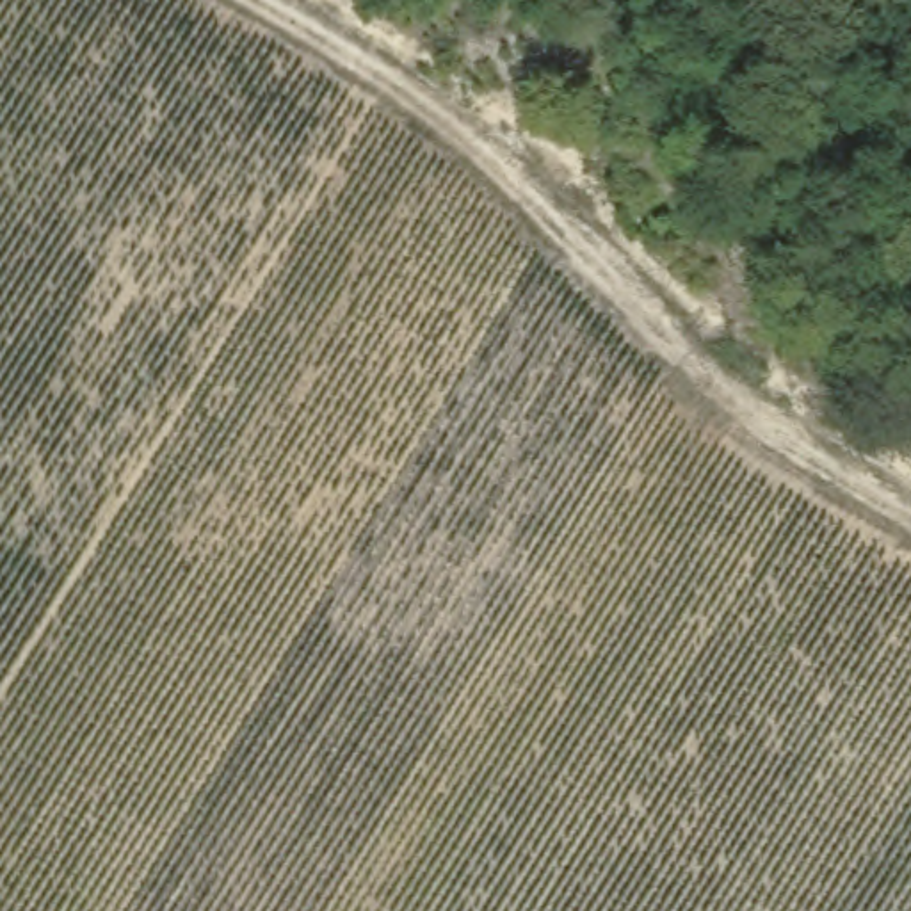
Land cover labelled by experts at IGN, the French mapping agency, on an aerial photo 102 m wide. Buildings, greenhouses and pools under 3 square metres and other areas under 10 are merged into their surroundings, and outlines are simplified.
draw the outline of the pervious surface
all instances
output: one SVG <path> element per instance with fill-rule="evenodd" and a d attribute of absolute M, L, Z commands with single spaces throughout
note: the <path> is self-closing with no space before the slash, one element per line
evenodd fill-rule
<path fill-rule="evenodd" d="M 808 427 L 790 423 L 776 406 L 758 402 L 751 391 L 737 399 L 730 409 L 733 416 L 765 445 L 786 452 L 794 463 L 815 470 L 818 477 L 836 480 L 847 495 L 911 530 L 911 505 L 886 491 L 875 477 L 818 448 L 808 438 Z"/>
<path fill-rule="evenodd" d="M 673 363 L 690 342 L 680 335 L 676 320 L 662 310 L 662 302 L 633 281 L 637 267 L 644 267 L 658 285 L 665 285 L 680 306 L 687 306 L 715 335 L 722 327 L 719 306 L 708 295 L 694 295 L 658 256 L 644 249 L 644 242 L 623 231 L 605 242 L 569 214 L 562 214 L 523 174 L 516 160 L 484 142 L 466 121 L 459 121 L 456 110 L 448 110 L 431 89 L 423 89 L 420 78 L 409 78 L 388 68 L 384 60 L 363 53 L 356 43 L 342 39 L 324 21 L 317 21 L 299 0 L 260 0 L 253 7 L 260 18 L 324 50 L 331 60 L 381 85 L 388 96 L 409 114 L 416 114 L 423 125 L 431 125 L 438 135 L 445 135 L 452 146 L 459 146 L 488 178 L 495 178 L 505 189 L 505 196 L 512 196 L 534 217 L 534 224 L 555 246 L 562 246 L 569 270 L 612 299 L 612 306 L 626 317 L 623 324 L 637 331 L 641 349 Z"/>

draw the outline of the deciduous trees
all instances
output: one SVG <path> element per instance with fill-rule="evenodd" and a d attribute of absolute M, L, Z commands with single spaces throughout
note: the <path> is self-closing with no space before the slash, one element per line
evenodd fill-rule
<path fill-rule="evenodd" d="M 911 399 L 911 0 L 352 0 L 363 18 L 391 21 L 399 32 L 406 32 L 434 53 L 431 60 L 416 60 L 420 78 L 459 75 L 477 93 L 509 93 L 516 100 L 516 117 L 523 132 L 576 149 L 584 171 L 605 181 L 612 214 L 623 231 L 644 242 L 644 249 L 658 256 L 694 295 L 708 295 L 719 306 L 722 327 L 715 335 L 701 356 L 715 359 L 733 381 L 740 381 L 751 391 L 779 367 L 804 381 L 818 381 L 822 374 L 872 374 L 886 384 L 890 395 Z"/>

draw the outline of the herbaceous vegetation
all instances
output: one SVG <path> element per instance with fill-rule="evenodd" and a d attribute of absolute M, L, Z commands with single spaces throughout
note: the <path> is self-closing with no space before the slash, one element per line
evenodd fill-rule
<path fill-rule="evenodd" d="M 733 381 L 715 359 L 701 356 L 715 335 L 687 306 L 680 306 L 665 285 L 658 285 L 644 267 L 637 267 L 633 281 L 662 302 L 662 310 L 676 320 L 680 335 L 690 342 L 673 363 L 687 377 L 694 377 L 694 384 L 705 395 L 730 409 L 737 399 L 751 391 L 740 381 Z"/>
<path fill-rule="evenodd" d="M 377 107 L 388 96 L 381 85 L 331 60 L 324 50 L 260 18 L 253 7 L 260 0 L 199 0 L 206 14 L 221 25 L 235 25 L 242 32 L 285 43 L 306 71 L 331 78 L 356 103 Z"/>
<path fill-rule="evenodd" d="M 456 110 L 459 121 L 466 121 L 484 142 L 516 160 L 523 174 L 562 214 L 569 214 L 605 242 L 623 231 L 612 214 L 605 181 L 584 171 L 576 149 L 523 132 L 516 117 L 516 100 L 509 93 L 477 93 L 459 75 L 420 78 L 423 89 L 431 89 L 448 110 Z"/>
<path fill-rule="evenodd" d="M 818 448 L 875 477 L 886 491 L 911 505 L 911 459 L 897 452 L 858 452 L 843 438 L 843 431 L 826 427 L 818 420 L 818 409 L 826 388 L 818 381 L 804 381 L 779 367 L 751 391 L 758 402 L 776 406 L 790 423 L 808 427 L 808 438 Z"/>
<path fill-rule="evenodd" d="M 317 21 L 324 21 L 342 39 L 356 43 L 363 53 L 384 60 L 388 68 L 409 78 L 420 78 L 416 60 L 431 60 L 434 53 L 406 32 L 399 32 L 391 21 L 363 18 L 352 0 L 299 0 Z"/>
<path fill-rule="evenodd" d="M 790 488 L 811 509 L 826 512 L 829 520 L 843 523 L 843 530 L 858 534 L 865 544 L 883 548 L 883 562 L 900 562 L 911 569 L 911 530 L 847 495 L 836 480 L 818 477 L 815 470 L 794 463 L 786 452 L 765 445 L 733 416 L 722 434 L 722 448 L 730 456 L 737 456 L 751 473 L 762 473 L 772 488 Z"/>

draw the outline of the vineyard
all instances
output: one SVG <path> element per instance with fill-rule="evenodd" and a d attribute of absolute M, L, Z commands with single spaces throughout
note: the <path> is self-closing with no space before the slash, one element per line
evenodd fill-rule
<path fill-rule="evenodd" d="M 730 409 L 705 395 L 694 384 L 694 377 L 687 377 L 673 363 L 641 349 L 637 331 L 623 324 L 626 317 L 612 306 L 612 299 L 569 270 L 562 246 L 555 246 L 534 224 L 534 217 L 512 196 L 505 196 L 505 189 L 495 178 L 488 178 L 459 146 L 452 146 L 445 135 L 438 135 L 431 125 L 423 125 L 416 114 L 409 114 L 388 96 L 377 107 L 356 103 L 331 78 L 306 71 L 285 43 L 242 32 L 235 25 L 221 25 L 206 14 L 199 0 L 0 0 L 0 911 L 911 911 L 911 569 L 900 562 L 883 562 L 883 548 L 865 544 L 858 534 L 843 530 L 843 523 L 829 520 L 826 512 L 811 509 L 790 488 L 772 488 L 762 473 L 751 473 L 737 456 L 730 456 L 722 448 L 722 434 L 733 416 Z"/>

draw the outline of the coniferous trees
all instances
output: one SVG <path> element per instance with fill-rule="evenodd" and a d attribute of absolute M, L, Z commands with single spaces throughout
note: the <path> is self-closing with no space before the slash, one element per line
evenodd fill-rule
<path fill-rule="evenodd" d="M 886 384 L 872 374 L 822 374 L 818 381 L 826 388 L 818 409 L 818 420 L 826 427 L 843 431 L 843 438 L 858 452 L 897 452 L 911 459 L 911 399 L 890 395 Z"/>

